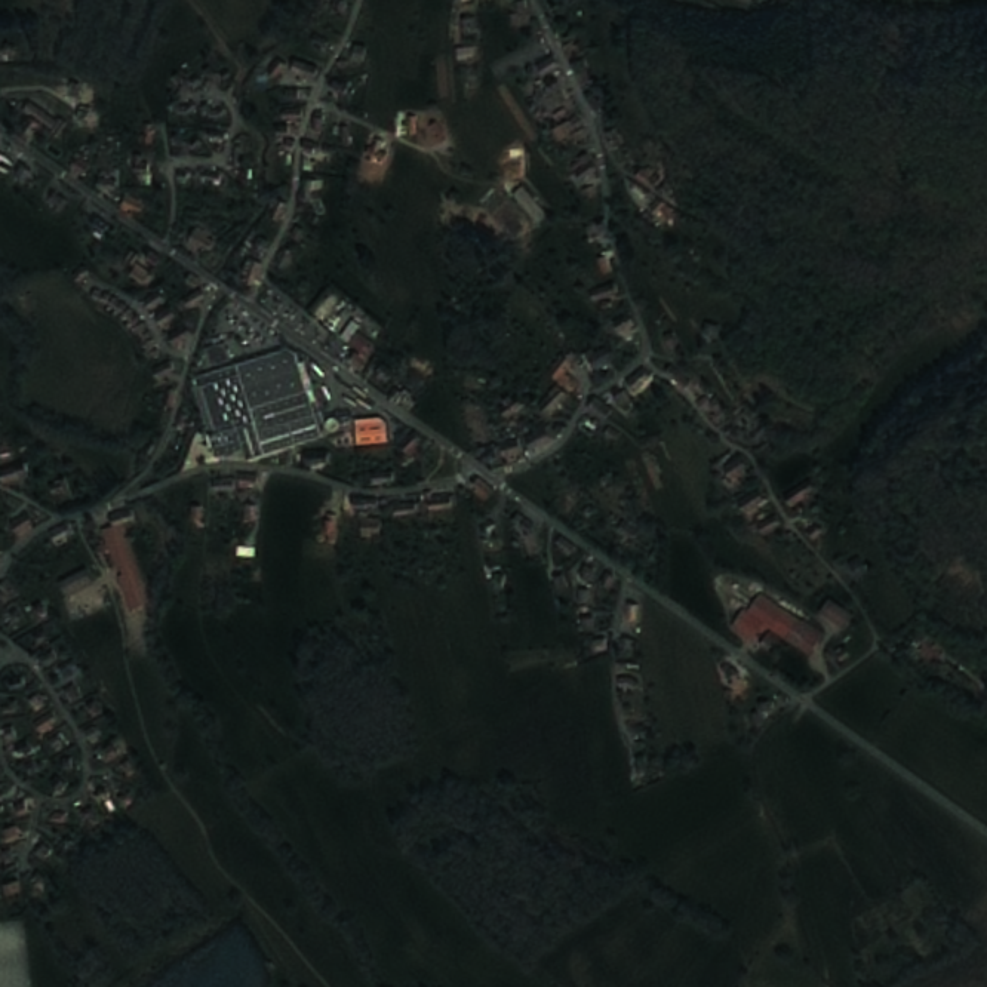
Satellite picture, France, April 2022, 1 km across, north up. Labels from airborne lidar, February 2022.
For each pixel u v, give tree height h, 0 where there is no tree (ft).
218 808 0
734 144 49
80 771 0
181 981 0
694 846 0
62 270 27
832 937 0
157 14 63
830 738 0
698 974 0
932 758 0
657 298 0
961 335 0
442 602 0
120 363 0
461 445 0
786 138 52
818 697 0
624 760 0
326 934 0
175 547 80
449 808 70
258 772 0
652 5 37
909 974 47
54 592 0
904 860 0
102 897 70
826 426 60
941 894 0
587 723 0
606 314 30
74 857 39
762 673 0
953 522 67
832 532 0
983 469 58
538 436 0
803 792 0
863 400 64
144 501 21
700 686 0
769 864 0
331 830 0
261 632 0
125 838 65
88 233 31
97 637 0
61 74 48
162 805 0
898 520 56
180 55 0
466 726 0
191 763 0
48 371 0
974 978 0
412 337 0
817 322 18
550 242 0
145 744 0
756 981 0
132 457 0
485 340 67
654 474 0
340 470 0
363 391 0
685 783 0
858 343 59
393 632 0
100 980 65
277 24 71
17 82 0
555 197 0
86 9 61
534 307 0
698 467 0
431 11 0
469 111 0
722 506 62
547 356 0
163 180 0
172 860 45
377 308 0
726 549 0
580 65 0
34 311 0
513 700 0
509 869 89
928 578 61
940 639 35
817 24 66
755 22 20
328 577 0
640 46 58
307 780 0
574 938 0
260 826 56
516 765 0
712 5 0
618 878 67
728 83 69
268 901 0
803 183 56
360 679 85
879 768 0
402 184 0
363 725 83
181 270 39
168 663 56
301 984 0
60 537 0
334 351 0
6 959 0
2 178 0
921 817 0
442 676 0
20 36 0
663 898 68
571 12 0
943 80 73
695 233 0
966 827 0
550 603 0
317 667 79
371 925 0
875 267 82
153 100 0
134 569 0
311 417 0
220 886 0
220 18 0
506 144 0
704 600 0
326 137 0
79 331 0
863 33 81
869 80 75
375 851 0
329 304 0
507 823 74
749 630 0
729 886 0
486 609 0
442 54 0
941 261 56
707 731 0
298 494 0
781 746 0
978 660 45
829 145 71
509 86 0
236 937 0
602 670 0
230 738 0
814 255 59
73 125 0
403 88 0
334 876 0
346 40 0
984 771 0
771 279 52
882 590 0
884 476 89
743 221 53
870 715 0
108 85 64
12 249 0
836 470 0
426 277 0
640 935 0
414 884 0
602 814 0
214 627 0
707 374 0
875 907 0
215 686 0
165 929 52
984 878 0
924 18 76
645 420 0
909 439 78
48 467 23
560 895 52
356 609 46
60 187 0
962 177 74
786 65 24
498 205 0
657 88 59
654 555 22
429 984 0
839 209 39
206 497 0
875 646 0
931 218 43
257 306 0
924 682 38
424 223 0
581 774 0
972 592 0
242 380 0
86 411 0
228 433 0
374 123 0
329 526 25
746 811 0
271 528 0
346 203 17
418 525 32
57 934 48
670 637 0
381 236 0
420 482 20
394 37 0
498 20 0
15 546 0
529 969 55
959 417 80
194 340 0
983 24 78
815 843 0
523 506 0
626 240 77
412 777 0
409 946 0
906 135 68
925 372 0
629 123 0
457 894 67
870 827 0
